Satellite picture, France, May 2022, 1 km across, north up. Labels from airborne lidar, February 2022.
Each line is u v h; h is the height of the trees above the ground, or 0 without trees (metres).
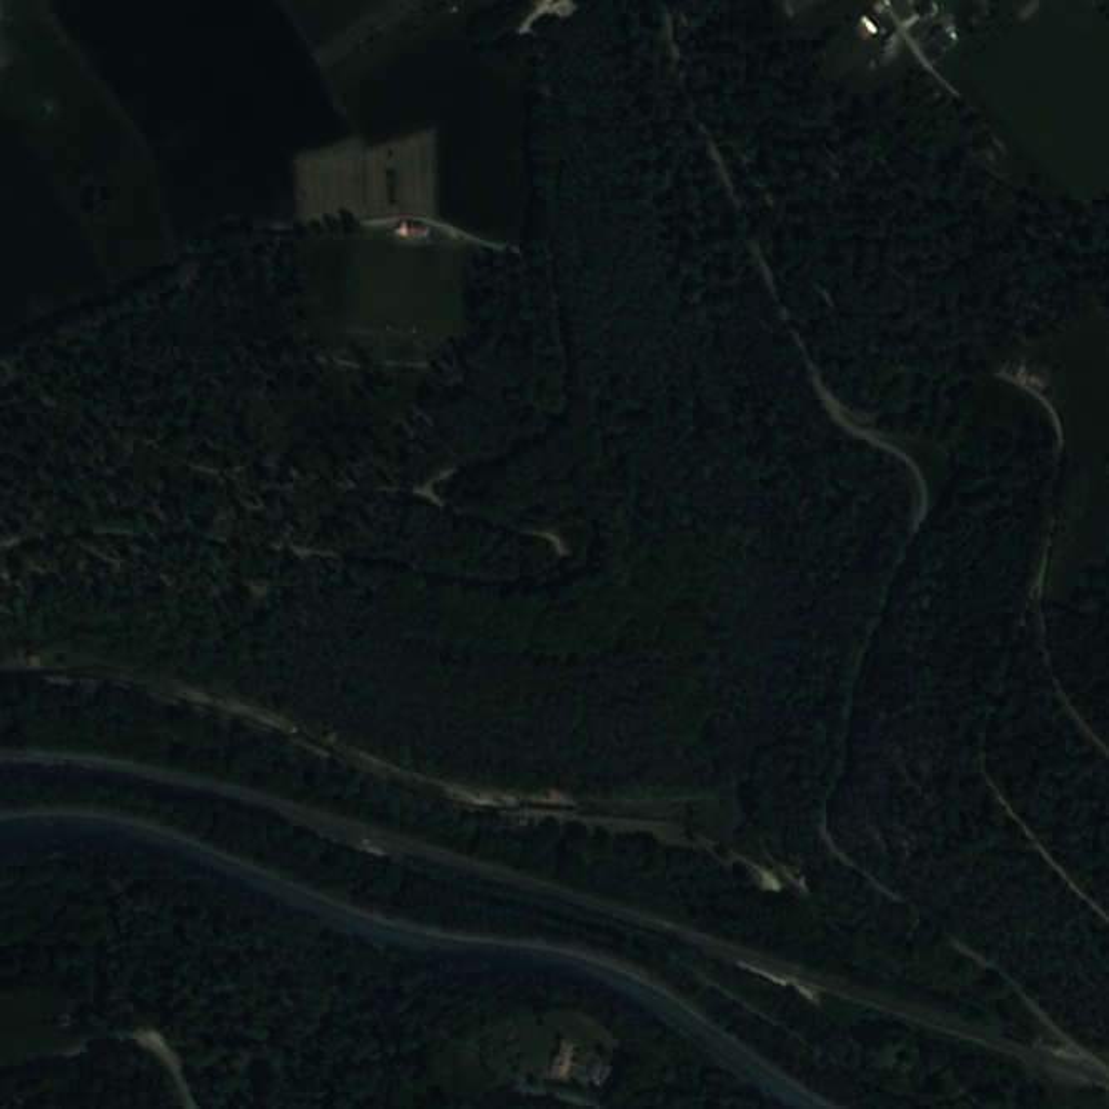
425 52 0
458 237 0
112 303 14
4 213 0
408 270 0
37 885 24
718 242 36
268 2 0
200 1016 11
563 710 23
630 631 23
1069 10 0
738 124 34
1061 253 15
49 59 0
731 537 30
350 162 0
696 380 23
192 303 16
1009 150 0
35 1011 0
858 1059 24
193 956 17
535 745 33
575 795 20
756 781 27
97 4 0
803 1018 19
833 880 30
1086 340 0
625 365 32
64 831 0
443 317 0
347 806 18
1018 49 0
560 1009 14
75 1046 0
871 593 25
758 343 26
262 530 29
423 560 26
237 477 32
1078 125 0
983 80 0
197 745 22
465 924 20
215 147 0
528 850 28
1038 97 0
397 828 9
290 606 27
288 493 32
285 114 0
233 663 31
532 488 34
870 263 13
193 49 0
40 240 0
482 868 0
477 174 0
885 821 18
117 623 21
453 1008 27
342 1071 40
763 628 34
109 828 0
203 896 27
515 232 0
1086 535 0
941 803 31
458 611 26
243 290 15
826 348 35
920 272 30
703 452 33
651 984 0
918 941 30
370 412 6
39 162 0
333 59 0
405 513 29
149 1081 19
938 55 0
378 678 21
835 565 24
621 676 27
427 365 0
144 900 39
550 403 29
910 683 29
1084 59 0
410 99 0
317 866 25
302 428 6
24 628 16
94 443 29
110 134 0
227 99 0
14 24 0
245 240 13
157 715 24
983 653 18
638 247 32
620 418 36
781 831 25
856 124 17
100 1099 16
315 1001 34
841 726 22
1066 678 9
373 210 0
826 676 29
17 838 0
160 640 27
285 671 26
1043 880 27
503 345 24
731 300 25
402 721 26
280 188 0
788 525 24
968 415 17
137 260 0
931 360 31
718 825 0
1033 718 33
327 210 0
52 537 0
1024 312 29
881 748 26
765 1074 0
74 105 0
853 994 0
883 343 30
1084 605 17
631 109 25
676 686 21
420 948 0
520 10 20
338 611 26
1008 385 0
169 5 0
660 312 30
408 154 0
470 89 0
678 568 27
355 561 27
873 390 12
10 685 19
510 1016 23
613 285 28
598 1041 0
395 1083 34
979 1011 0
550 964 0
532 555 13
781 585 31
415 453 28
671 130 35
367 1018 14
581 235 28
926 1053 39
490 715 23
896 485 21
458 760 28
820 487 25
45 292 0
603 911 0
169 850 0
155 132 0
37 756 0
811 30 0
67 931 23
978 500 28
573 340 24
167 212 0
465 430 29
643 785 29
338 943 21
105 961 32
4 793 23
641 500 23
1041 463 18
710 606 22
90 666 0
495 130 0
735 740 30
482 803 0
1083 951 26
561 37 25
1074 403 0
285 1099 34
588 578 31
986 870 26
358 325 0
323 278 0
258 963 27
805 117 35
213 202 0
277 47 0
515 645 22
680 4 23
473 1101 0
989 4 0
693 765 20
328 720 25
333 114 0
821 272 30
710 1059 0
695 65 28
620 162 27
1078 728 12
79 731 23
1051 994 29
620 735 21
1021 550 13
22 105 0
